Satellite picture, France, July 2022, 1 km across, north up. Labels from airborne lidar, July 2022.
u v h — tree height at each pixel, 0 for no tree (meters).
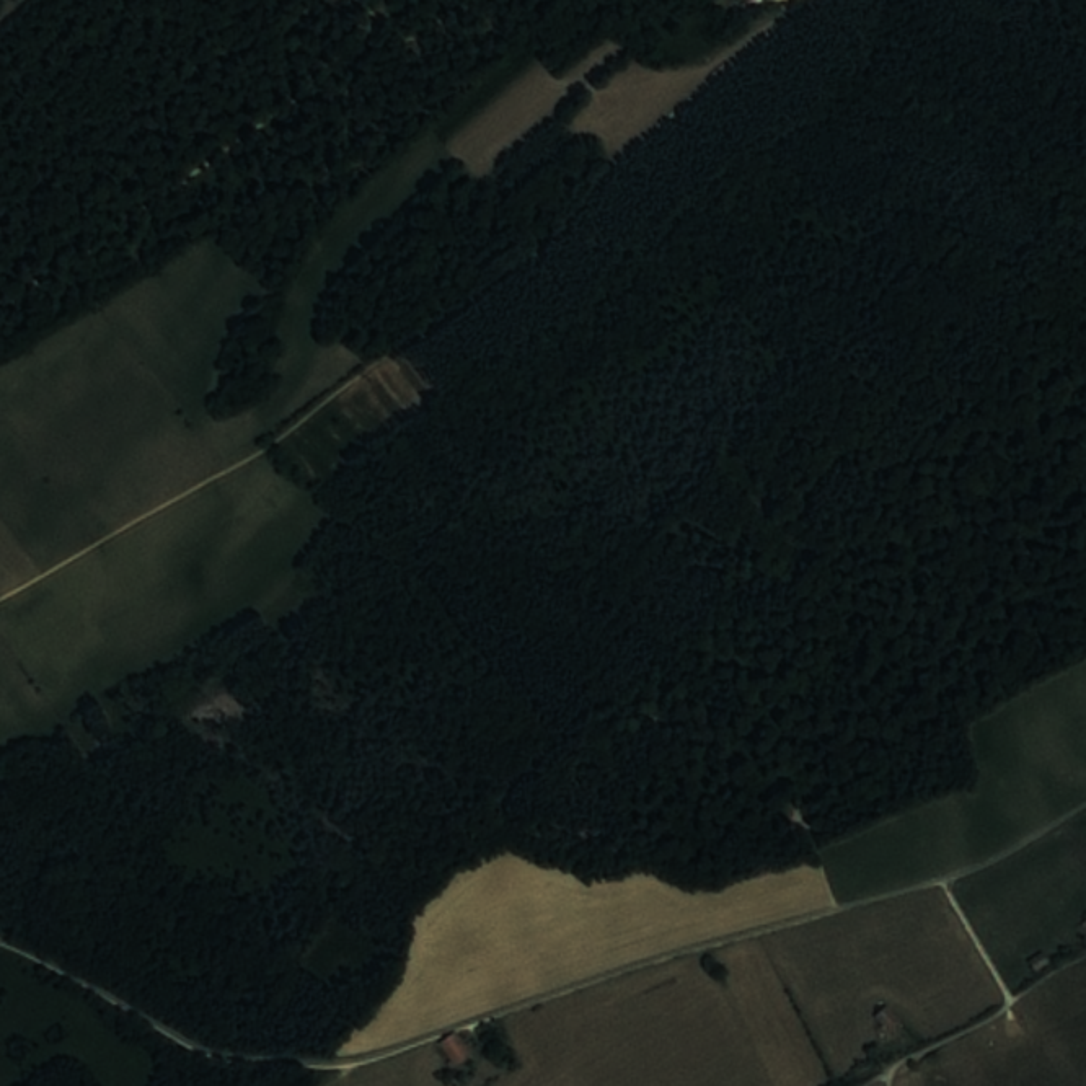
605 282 21
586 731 27
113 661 0
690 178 24
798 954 0
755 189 21
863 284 21
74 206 29
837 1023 0
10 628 0
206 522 0
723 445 18
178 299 0
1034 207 12
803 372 22
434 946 0
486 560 14
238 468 0
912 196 14
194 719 0
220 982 12
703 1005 0
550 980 0
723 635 27
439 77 31
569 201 22
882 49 25
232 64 24
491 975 0
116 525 0
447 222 24
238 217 19
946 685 31
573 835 14
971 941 0
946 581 29
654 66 17
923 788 20
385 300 25
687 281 15
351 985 25
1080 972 0
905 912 0
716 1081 0
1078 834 0
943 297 30
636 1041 0
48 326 18
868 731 27
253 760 15
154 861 14
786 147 28
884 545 27
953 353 26
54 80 24
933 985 0
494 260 28
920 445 26
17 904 17
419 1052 0
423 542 7
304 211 24
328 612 25
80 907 27
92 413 0
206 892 16
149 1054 8
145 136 29
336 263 0
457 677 23
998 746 0
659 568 21
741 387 10
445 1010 0
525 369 23
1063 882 0
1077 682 0
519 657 21
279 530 0
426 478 14
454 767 25
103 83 28
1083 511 28
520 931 0
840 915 0
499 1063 7
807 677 22
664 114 0
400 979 18
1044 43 16
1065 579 26
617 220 22
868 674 31
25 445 0
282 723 12
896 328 29
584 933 0
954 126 15
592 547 20
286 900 26
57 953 23
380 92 27
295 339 0
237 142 12
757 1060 0
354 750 19
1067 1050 0
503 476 13
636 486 17
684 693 25
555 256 24
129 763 26
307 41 35
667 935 0
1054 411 31
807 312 21
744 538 17
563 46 18
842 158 19
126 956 18
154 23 27
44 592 0
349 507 7
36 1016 0
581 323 25
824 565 28
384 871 24
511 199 31
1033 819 0
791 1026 0
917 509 29
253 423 0
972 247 25
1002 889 0
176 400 0
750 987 0
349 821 21
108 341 0
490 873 0
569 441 9
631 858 20
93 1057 0
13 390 0
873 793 26
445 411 26
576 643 19
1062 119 23
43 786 17
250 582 0
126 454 0
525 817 23
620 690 16
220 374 14
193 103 31
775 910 0
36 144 27
